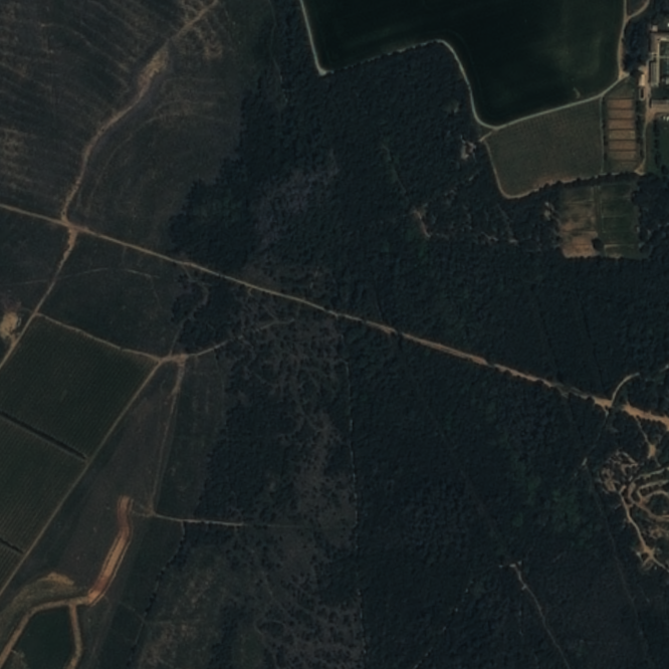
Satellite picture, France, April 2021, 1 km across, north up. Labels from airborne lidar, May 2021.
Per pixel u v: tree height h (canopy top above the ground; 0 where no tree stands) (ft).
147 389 0
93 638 0
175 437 0
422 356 24
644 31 40
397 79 27
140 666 0
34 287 0
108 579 0
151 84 0
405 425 17
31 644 0
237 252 27
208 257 20
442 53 33
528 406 51
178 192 0
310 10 0
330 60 0
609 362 19
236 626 24
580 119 0
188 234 23
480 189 31
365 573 31
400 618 31
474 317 22
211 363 0
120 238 0
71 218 0
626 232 0
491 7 0
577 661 18
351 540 18
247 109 34
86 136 0
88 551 0
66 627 0
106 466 0
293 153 30
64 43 0
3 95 0
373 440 26
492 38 0
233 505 19
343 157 25
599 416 21
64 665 0
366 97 24
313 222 45
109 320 0
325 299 20
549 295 30
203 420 0
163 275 0
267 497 22
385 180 29
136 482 0
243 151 31
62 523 0
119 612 0
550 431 45
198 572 0
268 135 27
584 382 21
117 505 0
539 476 29
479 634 22
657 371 54
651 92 0
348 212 23
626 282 25
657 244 29
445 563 35
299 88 27
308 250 37
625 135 0
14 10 0
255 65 0
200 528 23
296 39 22
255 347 27
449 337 27
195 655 0
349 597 25
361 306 38
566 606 27
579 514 33
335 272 23
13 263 0
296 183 31
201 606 0
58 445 66
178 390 0
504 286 33
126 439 0
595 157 0
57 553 0
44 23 0
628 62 23
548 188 25
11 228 0
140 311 0
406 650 30
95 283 0
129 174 0
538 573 19
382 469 26
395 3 0
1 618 0
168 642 0
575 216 0
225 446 24
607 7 0
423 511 34
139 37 0
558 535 20
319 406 24
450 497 55
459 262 24
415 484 26
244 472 23
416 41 0
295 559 0
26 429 58
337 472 28
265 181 48
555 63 0
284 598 0
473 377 28
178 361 0
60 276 0
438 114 29
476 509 39
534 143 0
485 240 31
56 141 0
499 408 44
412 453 25
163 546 0
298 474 29
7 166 0
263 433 25
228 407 0
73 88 0
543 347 22
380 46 0
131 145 0
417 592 30
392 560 28
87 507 0
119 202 0
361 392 22
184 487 0
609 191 0
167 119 0
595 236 0
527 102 0
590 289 22
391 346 37
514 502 25
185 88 0
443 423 25
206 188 32
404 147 23
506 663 41
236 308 20
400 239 26
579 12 0
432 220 28
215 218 29
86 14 0
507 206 19
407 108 27
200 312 22
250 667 0
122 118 0
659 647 28
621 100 0
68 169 0
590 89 0
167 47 0
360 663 25
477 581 35
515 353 24
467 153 21
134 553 0
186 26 0
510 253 30
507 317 20
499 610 40
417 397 29
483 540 27
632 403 23
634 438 21
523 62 0
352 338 55
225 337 23
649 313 39
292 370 33
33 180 0
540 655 35
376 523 28
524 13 0
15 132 0
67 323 0
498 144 0
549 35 0
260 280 0
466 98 18
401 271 47
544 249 28
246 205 33
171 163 0
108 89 0
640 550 0
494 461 27
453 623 24
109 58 0
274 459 26
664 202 35
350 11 0
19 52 0
